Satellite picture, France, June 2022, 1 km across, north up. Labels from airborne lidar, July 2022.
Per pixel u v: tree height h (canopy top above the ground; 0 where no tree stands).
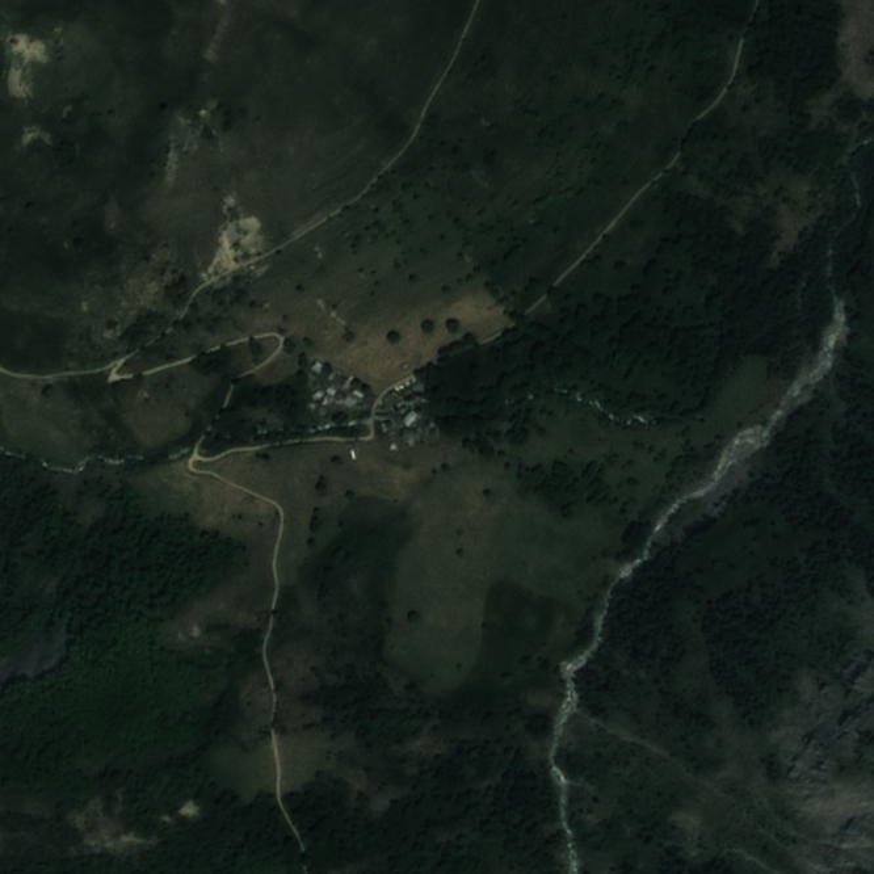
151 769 6
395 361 0
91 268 0
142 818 12
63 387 0
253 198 0
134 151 0
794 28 17
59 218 0
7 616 9
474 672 0
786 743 0
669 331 13
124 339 10
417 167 0
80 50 0
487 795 9
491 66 0
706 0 14
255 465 0
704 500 0
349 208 11
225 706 10
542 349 16
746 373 0
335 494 0
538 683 0
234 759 0
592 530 0
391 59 0
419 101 0
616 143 0
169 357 7
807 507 10
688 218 18
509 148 0
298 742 0
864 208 9
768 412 0
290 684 0
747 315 23
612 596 9
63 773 13
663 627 6
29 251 0
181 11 0
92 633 14
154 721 12
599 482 13
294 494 0
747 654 10
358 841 12
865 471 15
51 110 0
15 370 0
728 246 10
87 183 0
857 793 0
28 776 12
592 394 8
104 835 0
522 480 10
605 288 0
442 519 0
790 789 0
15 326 0
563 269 0
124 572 10
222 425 11
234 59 0
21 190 0
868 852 0
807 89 12
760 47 6
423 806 8
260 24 0
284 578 0
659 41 9
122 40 0
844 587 8
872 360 0
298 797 11
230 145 0
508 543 0
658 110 0
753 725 13
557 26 0
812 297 11
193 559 13
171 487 0
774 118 0
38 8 0
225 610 0
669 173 9
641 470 0
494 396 16
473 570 0
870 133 9
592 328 12
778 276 18
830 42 6
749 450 0
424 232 0
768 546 0
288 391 17
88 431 0
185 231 0
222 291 10
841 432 8
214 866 13
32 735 12
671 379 17
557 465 11
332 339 0
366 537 0
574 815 6
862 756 6
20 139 0
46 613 8
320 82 0
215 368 12
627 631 15
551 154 0
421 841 8
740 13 11
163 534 10
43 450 0
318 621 0
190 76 0
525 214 0
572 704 0
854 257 7
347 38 0
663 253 14
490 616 0
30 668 0
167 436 0
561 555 0
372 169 0
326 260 0
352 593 0
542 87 0
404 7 0
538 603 0
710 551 0
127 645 10
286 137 0
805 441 6
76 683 11
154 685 15
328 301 0
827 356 0
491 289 14
